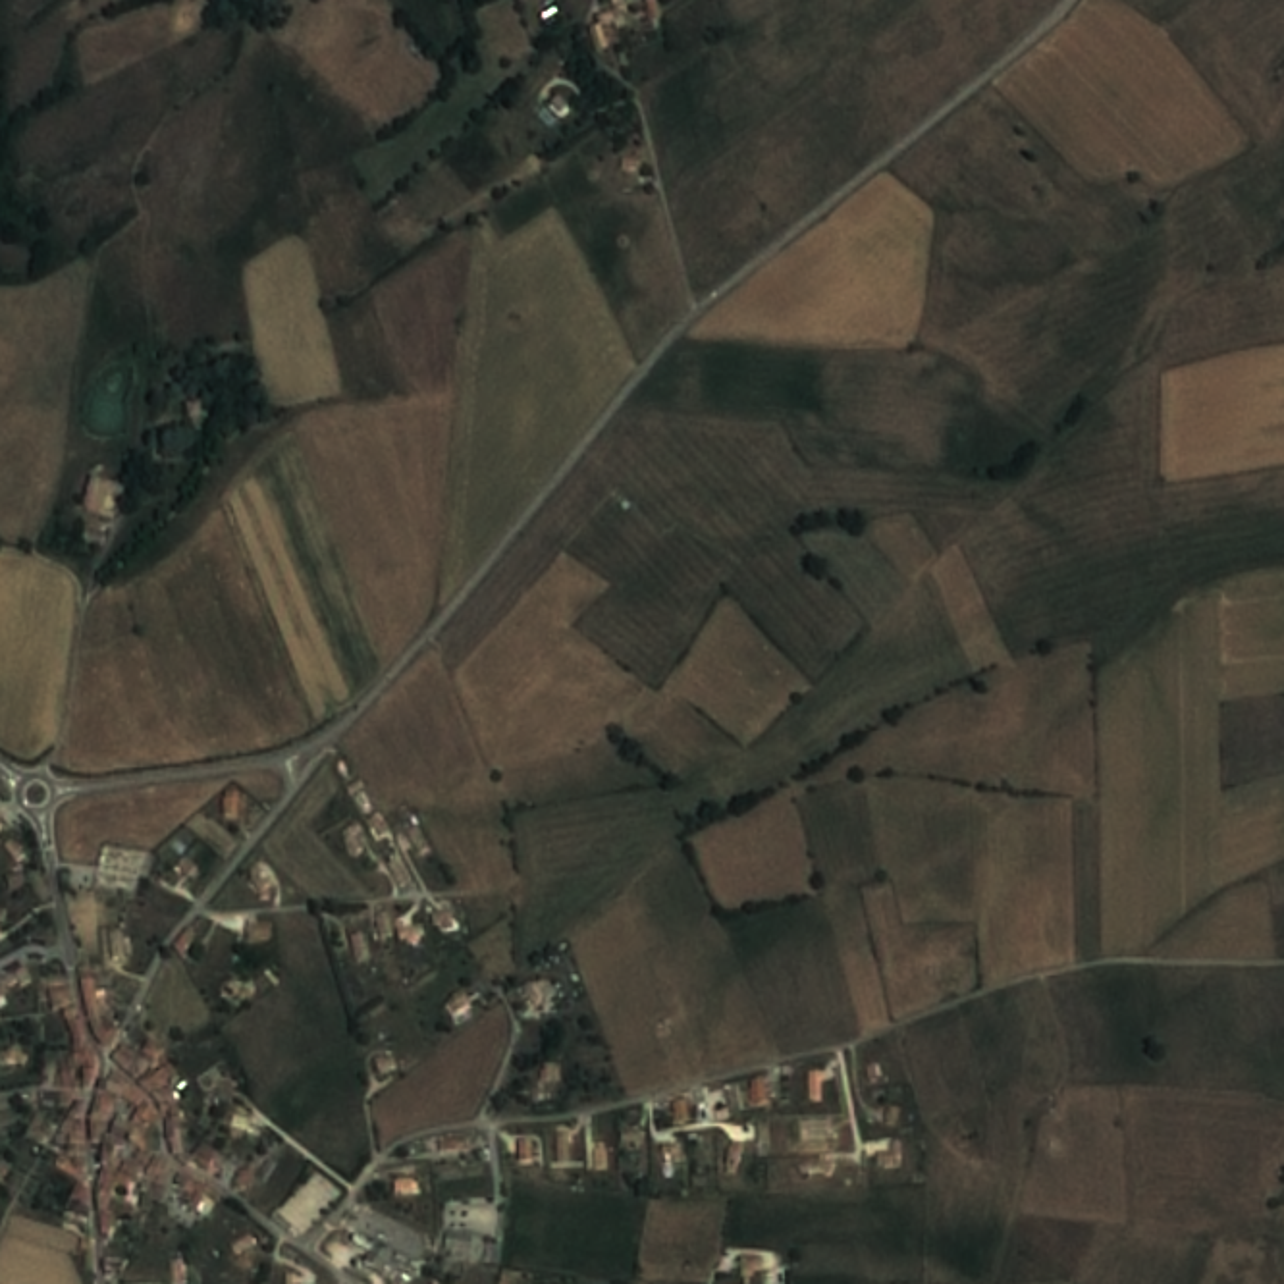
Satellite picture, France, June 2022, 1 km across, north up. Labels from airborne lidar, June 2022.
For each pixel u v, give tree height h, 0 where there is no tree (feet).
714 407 0
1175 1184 0
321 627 0
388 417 0
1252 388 0
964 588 0
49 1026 0
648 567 0
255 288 0
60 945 0
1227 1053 0
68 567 0
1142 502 0
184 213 0
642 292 0
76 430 0
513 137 0
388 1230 0
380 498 0
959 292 0
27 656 0
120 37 0
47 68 0
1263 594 0
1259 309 0
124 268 0
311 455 0
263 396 67
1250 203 0
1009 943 0
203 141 0
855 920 0
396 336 0
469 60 56
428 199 0
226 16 48
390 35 0
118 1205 0
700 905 0
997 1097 0
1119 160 0
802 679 0
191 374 55
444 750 0
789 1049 0
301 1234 0
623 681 0
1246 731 0
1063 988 0
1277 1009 0
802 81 0
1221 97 0
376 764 0
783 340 0
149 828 0
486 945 0
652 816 0
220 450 26
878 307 0
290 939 0
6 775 0
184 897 0
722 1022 0
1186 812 0
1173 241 0
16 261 0
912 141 0
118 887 0
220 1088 0
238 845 0
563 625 0
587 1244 0
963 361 0
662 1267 0
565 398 0
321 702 0
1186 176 0
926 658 0
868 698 0
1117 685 0
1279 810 0
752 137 0
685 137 0
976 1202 0
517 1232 0
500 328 0
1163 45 0
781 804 0
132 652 0
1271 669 0
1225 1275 0
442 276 0
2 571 0
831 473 0
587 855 0
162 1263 0
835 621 0
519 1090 30
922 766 0
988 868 0
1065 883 0
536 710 0
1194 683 0
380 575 0
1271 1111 0
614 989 0
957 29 0
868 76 0
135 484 52
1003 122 0
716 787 0
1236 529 0
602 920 0
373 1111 0
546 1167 0
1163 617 0
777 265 0
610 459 0
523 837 0
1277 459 0
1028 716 0
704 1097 0
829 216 0
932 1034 0
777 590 0
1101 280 0
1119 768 0
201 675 0
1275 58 0
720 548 0
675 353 0
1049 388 0
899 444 0
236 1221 0
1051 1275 0
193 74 0
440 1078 0
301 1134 0
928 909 0
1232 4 0
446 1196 0
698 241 0
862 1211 0
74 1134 0
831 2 0
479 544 0
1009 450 0
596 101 39
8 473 0
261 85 0
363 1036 32
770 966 0
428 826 0
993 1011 0
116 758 0
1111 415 0
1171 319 0
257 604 0
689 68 0
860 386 0
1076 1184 0
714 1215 0
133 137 0
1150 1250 0
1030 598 0
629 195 0
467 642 0
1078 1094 0
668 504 0
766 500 0
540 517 0
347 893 0
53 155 0
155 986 0
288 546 0
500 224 0
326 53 0
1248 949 0
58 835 0
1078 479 0
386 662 0
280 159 0
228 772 0
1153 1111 0
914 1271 0
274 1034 0
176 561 0
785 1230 0
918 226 0
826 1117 0
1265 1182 0
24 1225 0
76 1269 0
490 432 0
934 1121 0
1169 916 0
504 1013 0
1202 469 0
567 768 0
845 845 0
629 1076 0
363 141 0
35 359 0
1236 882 0
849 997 0
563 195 0
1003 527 0
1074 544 0
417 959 0
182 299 0
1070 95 0
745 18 0
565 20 24
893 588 0
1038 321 0
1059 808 0
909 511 0
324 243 0
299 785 0
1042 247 0
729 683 0
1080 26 0
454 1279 20
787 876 0
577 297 0
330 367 0
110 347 0
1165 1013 0
